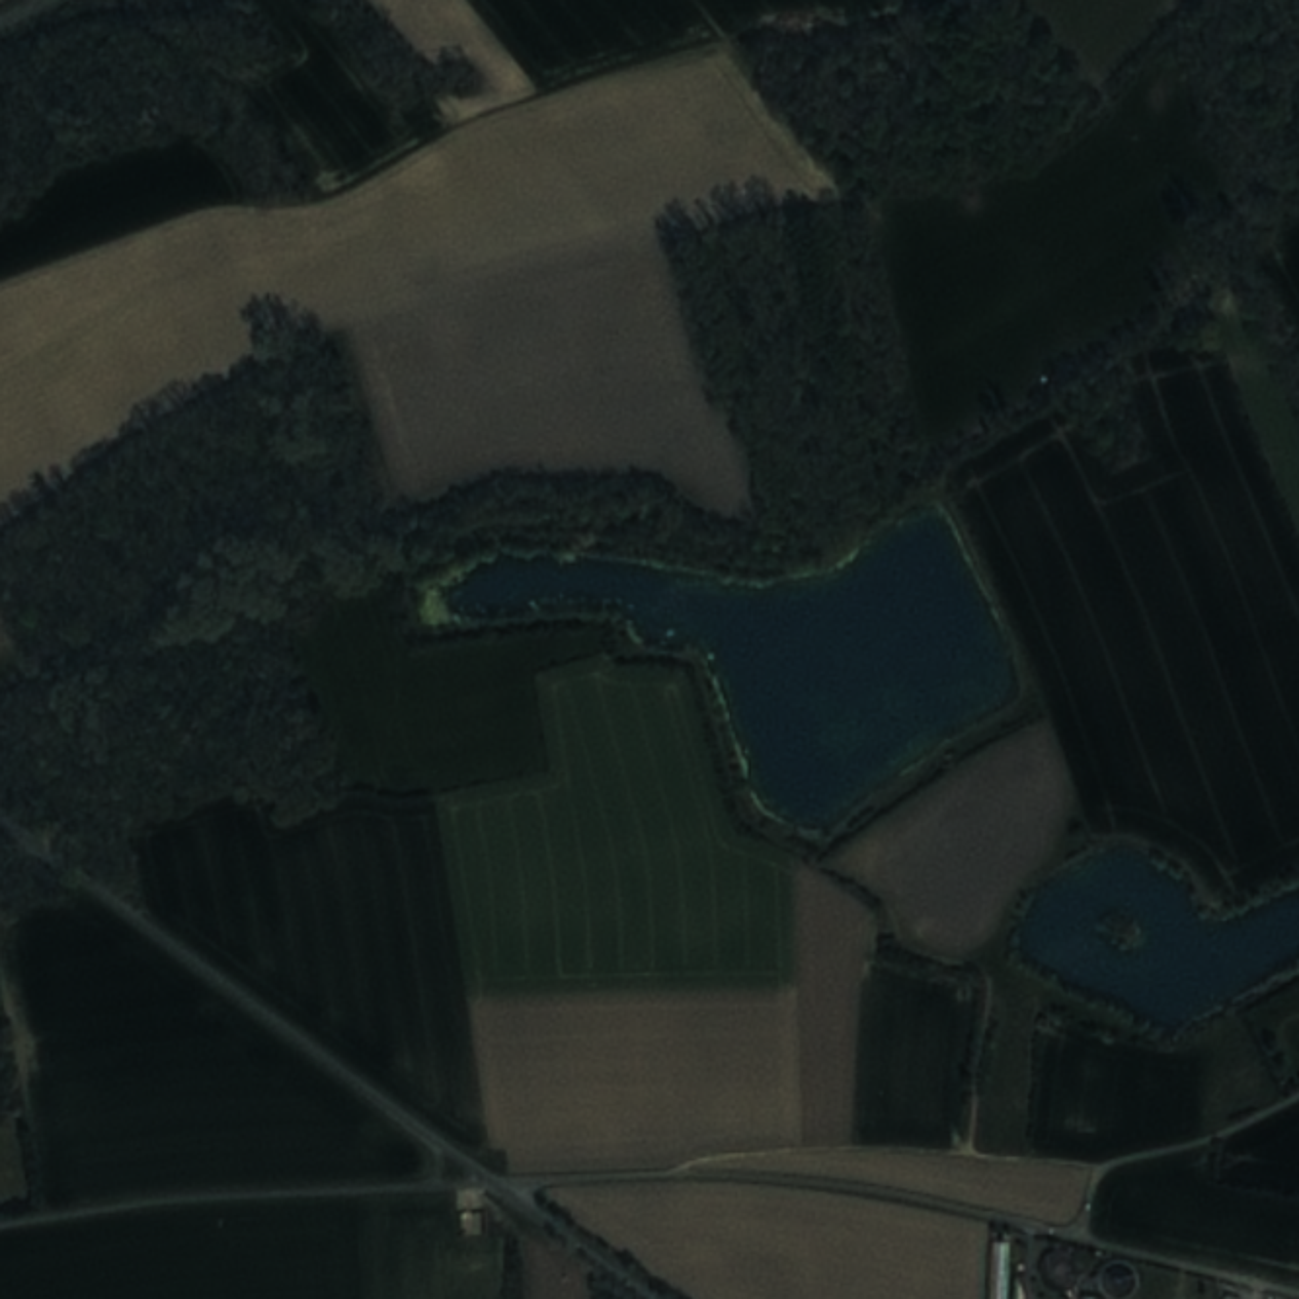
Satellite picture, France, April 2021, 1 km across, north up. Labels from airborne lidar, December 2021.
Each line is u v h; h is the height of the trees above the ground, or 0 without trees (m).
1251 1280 0
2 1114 7
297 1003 0
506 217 0
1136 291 0
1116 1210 0
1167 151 0
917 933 0
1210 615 0
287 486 22
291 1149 0
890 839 0
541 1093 0
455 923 0
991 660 0
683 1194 0
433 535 27
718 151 0
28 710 25
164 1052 0
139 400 0
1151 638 0
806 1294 0
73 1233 0
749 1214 0
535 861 0
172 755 28
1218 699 0
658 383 0
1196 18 20
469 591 0
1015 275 0
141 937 0
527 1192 0
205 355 0
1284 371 22
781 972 0
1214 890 0
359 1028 0
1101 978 0
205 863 0
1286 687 0
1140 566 0
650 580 0
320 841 0
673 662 8
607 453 0
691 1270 0
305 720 29
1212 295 24
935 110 24
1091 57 0
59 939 0
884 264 28
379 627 0
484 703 0
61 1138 0
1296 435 0
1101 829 0
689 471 0
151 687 23
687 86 0
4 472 0
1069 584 0
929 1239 0
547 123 0
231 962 0
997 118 23
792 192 0
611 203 0
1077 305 0
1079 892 0
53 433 0
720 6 0
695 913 0
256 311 0
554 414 0
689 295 34
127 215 0
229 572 37
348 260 0
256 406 22
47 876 28
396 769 0
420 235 0
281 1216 0
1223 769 0
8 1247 0
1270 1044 16
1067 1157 0
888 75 28
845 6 0
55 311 0
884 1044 0
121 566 26
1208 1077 0
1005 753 0
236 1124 0
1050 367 0
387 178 0
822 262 25
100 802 18
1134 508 0
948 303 0
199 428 19
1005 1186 0
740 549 14
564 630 5
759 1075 0
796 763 0
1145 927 0
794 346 36
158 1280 0
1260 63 30
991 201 0
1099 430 21
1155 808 0
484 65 0
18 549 28
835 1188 0
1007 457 0
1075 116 16
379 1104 0
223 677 26
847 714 0
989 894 0
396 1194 0
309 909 0
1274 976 7
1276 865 0
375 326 0
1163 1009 0
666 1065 0
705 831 0
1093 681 0
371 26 6
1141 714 0
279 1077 0
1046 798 0
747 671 0
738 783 7
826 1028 0
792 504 8
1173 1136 0
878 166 22
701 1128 0
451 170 0
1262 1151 0
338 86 0
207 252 0
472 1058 0
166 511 27
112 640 25
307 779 24
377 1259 0
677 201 0
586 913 0
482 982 0
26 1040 0
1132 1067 0
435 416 0
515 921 0
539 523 10
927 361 0
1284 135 19
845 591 0
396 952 0
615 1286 15
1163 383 0
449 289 0
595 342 0
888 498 18
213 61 11
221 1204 0
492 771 0
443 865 0
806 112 22
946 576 0
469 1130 0
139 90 17
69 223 0
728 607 0
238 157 19
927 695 0
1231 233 23
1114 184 0
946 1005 0
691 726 0
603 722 0
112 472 28
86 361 0
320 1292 0
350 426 28
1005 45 21
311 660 0
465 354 0
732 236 37
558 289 0
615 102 0
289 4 0
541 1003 0
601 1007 0
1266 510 0
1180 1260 0
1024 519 0
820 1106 0
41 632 25
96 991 0
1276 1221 0
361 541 35
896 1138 0
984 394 0
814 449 36
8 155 22
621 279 0
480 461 0
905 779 0
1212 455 0
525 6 0
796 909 0
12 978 0
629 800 0
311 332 32
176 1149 0
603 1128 0
